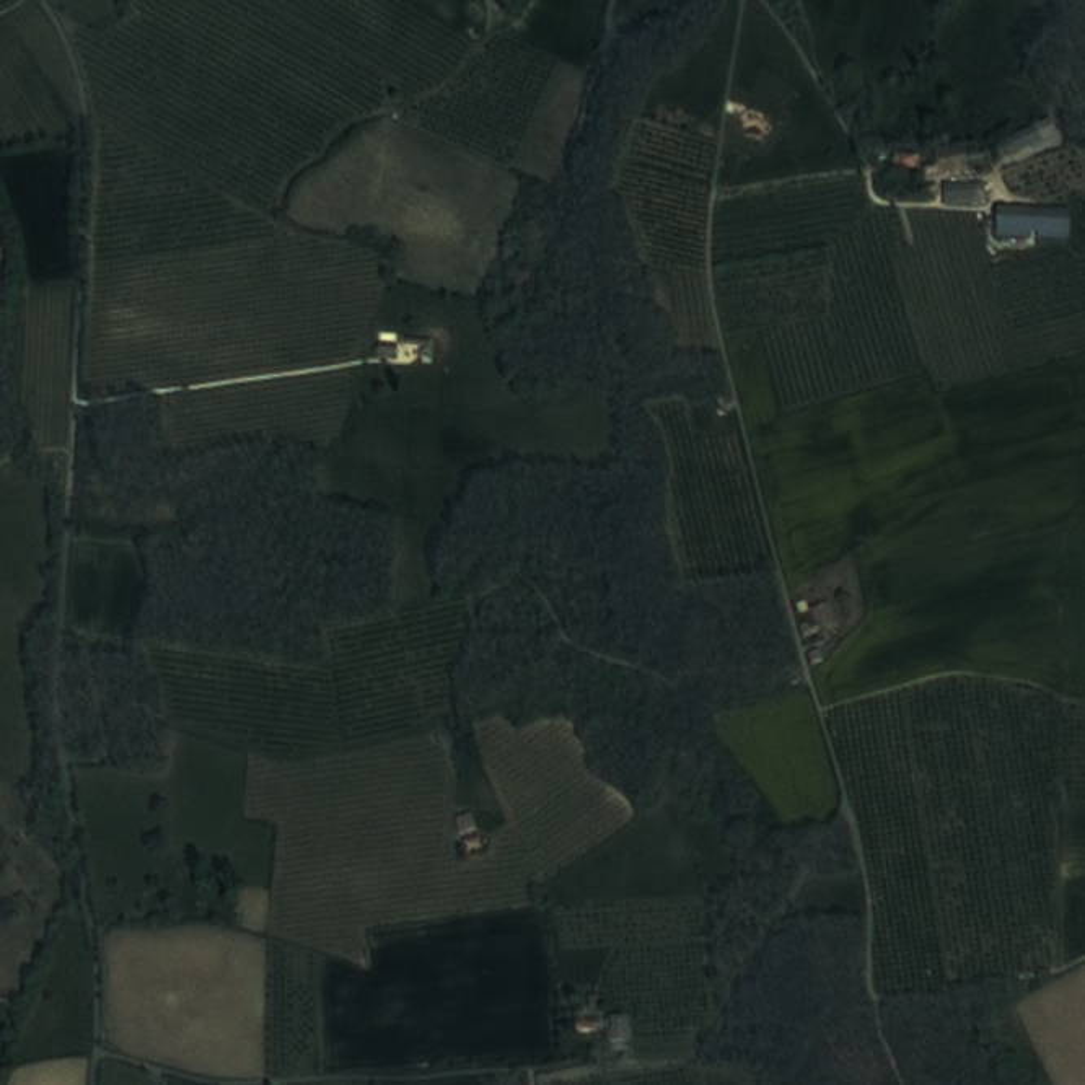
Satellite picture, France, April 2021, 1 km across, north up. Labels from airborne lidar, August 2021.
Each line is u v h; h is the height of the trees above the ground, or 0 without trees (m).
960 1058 21
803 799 0
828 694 0
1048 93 20
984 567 0
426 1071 0
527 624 15
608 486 18
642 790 19
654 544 18
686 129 8
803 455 0
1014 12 0
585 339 20
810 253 6
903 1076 15
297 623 22
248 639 20
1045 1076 0
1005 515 0
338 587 26
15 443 23
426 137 0
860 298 6
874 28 0
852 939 18
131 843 0
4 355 24
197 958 0
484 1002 0
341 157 0
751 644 20
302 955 0
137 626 14
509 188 0
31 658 24
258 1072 0
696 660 14
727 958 17
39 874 0
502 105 5
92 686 19
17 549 0
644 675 17
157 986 0
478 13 0
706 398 12
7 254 11
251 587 20
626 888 0
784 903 14
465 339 0
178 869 0
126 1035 0
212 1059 0
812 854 15
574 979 0
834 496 0
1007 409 0
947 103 14
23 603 0
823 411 0
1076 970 0
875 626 0
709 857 0
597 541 17
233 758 0
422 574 0
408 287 6
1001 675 0
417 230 0
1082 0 20
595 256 12
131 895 0
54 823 24
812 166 0
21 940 0
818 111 0
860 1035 18
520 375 23
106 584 0
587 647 10
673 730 14
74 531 14
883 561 0
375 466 0
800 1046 11
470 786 0
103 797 0
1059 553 0
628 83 21
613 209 19
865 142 18
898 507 0
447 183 0
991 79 0
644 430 22
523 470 20
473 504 20
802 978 14
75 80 0
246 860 0
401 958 0
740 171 0
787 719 0
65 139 12
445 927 0
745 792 18
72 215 18
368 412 0
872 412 0
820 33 0
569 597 10
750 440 0
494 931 0
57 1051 0
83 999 0
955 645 0
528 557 12
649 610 18
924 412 0
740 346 0
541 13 0
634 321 15
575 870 0
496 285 14
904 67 0
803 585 0
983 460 0
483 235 0
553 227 8
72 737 22
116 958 0
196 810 0
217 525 24
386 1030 0
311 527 25
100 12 0
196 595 17
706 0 21
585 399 0
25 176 0
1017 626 0
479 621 11
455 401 0
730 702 17
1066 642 0
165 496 9
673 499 16
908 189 8
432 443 0
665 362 17
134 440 22
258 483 22
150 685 20
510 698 13
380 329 0
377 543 25
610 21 0
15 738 0
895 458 0
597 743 18
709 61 0
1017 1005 20
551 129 0
